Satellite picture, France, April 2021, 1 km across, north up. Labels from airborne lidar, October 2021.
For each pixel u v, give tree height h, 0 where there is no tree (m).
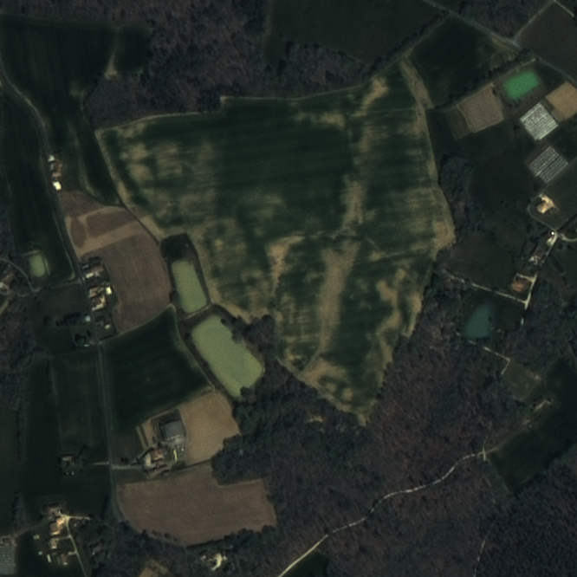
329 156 0
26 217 0
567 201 0
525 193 0
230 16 19
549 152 0
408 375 14
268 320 13
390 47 0
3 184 0
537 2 18
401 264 0
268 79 20
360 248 0
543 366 14
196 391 0
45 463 0
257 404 10
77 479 0
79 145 0
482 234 8
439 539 20
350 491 19
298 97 14
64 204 0
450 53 0
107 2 19
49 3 7
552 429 0
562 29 0
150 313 0
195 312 0
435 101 0
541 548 21
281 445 23
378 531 17
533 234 16
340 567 19
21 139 0
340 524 12
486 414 24
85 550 6
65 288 0
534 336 24
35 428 0
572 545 20
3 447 0
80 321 9
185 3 12
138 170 0
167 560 18
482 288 0
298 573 0
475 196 0
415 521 18
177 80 18
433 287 10
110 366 0
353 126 0
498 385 17
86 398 0
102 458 0
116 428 0
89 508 0
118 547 24
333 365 0
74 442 0
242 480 18
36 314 0
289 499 13
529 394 0
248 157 0
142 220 0
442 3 0
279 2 0
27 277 11
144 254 0
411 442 8
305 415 20
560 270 11
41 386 0
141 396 0
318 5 0
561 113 0
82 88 0
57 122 0
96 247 0
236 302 0
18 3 11
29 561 0
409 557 22
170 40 12
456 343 18
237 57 10
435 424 14
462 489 12
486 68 0
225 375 0
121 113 16
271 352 23
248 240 0
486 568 19
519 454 0
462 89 0
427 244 0
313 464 23
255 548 22
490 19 12
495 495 20
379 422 12
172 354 0
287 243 0
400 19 0
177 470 0
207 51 16
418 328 14
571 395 0
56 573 0
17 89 0
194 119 0
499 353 11
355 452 24
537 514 19
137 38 0
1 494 0
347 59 18
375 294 0
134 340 0
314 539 17
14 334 7
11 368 8
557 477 23
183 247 0
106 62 0
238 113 0
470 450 7
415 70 0
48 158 0
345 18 0
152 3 17
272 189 0
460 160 18
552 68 0
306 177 0
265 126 0
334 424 18
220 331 0
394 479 19
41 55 0
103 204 0
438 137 0
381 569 18
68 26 0
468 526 18
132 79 14
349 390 0
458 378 16
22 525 15
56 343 0
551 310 26
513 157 0
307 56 11
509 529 20
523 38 0
